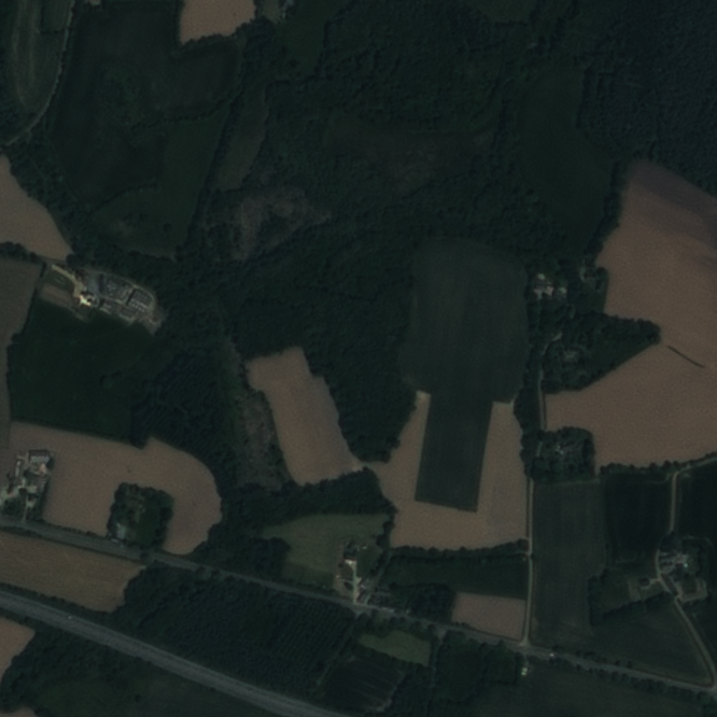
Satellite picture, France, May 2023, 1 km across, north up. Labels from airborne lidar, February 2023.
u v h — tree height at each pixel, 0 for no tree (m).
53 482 0
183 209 0
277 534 0
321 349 13
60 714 0
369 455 15
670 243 0
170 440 33
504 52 13
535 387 7
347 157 8
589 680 0
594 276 8
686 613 9
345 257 15
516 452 0
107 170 0
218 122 0
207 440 29
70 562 0
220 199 15
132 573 0
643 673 0
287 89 14
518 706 0
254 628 13
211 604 23
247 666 19
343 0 0
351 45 19
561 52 19
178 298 12
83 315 0
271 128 9
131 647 0
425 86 9
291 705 0
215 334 16
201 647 19
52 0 0
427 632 8
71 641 13
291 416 0
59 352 0
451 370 0
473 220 14
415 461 0
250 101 0
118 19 0
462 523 0
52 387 0
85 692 0
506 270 0
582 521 0
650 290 0
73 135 0
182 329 10
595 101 14
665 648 0
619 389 0
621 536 0
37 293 14
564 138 0
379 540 12
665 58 16
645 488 0
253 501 22
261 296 12
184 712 0
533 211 10
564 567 0
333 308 19
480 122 8
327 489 17
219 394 21
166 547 0
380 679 0
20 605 0
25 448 0
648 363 0
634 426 0
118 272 12
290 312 15
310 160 7
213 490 0
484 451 0
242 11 0
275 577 10
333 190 8
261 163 6
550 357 8
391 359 21
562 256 9
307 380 0
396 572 0
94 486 0
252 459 0
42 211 0
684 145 14
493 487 0
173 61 0
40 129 7
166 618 17
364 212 8
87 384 0
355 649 13
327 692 0
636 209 0
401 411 22
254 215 0
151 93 0
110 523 7
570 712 0
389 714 14
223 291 15
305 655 24
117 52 0
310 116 12
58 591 0
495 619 0
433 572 0
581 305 20
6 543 0
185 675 0
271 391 0
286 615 21
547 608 0
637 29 6
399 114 8
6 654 0
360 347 13
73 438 0
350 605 0
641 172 0
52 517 0
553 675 0
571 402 0
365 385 19
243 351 18
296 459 0
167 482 0
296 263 12
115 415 0
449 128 7
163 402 25
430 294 0
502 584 0
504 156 16
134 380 0
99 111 0
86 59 0
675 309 0
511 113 10
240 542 15
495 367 0
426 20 7
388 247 10
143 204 0
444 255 0
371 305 18
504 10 0
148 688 0
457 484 0
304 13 0
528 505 0
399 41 9
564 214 0
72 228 19
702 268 0
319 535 0
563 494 0
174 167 0
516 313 0
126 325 0
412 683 15
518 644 0
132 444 20
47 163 8
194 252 8
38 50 0
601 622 13
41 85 0
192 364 30
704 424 0
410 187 0
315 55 0
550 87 0
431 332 0
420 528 0
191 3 0
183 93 0
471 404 0
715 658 0
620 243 0
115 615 8
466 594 0
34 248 0
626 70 15
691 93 13
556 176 0
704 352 0
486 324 0
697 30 12
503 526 0
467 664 0
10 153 7
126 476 0
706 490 0
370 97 12
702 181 15
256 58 15
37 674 12
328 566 0
